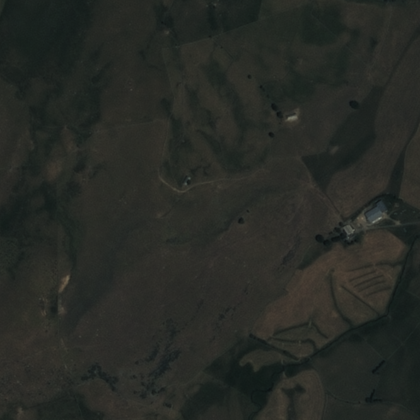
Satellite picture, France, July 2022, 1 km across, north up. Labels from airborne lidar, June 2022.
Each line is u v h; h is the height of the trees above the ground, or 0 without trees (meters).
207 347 0
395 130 0
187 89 0
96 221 0
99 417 0
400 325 0
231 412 0
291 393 0
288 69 0
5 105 0
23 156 0
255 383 0
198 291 0
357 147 0
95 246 0
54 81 0
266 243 0
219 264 0
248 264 0
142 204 0
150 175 0
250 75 9
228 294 0
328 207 0
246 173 0
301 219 0
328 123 0
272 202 0
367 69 0
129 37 0
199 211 0
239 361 0
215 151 0
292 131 0
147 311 0
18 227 0
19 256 0
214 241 0
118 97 0
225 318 0
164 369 0
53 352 0
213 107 0
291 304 0
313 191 0
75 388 0
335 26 0
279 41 0
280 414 0
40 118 0
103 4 0
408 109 0
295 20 0
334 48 0
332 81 0
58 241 0
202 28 0
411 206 0
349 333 0
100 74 0
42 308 0
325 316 0
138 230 0
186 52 0
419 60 0
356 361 0
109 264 0
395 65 0
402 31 0
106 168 0
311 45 0
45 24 0
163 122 0
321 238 16
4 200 0
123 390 0
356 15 0
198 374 0
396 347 0
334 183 0
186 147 0
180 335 0
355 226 0
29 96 0
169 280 0
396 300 0
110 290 0
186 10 0
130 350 0
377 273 0
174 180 0
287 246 0
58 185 0
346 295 0
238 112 0
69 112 0
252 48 0
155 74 0
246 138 0
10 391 0
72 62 0
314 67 0
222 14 0
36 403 0
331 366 0
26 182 0
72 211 0
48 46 0
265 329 0
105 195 0
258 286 0
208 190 0
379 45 0
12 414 0
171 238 0
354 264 0
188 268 0
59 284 0
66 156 0
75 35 0
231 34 0
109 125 0
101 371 0
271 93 0
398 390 0
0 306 0
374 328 0
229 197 0
